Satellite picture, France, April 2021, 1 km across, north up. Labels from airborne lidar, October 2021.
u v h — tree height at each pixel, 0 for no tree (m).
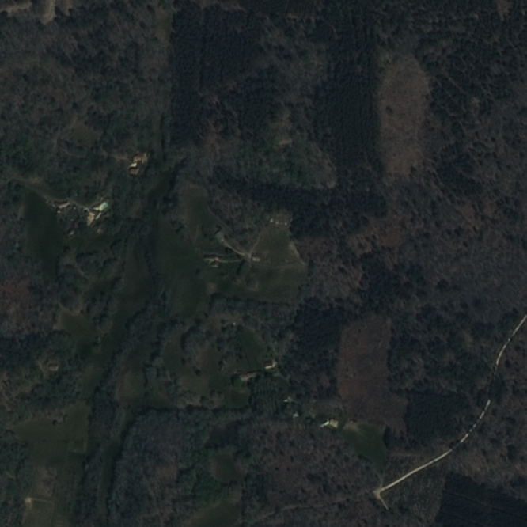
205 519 0
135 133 20
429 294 17
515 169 10
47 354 27
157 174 9
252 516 17
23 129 21
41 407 23
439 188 13
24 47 22
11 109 13
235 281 12
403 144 0
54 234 0
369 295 12
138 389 0
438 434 22
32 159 22
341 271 11
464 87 13
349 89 21
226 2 12
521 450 13
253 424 21
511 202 13
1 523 22
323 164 14
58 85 18
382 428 12
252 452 7
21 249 11
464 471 15
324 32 19
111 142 15
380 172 19
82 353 0
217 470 0
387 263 12
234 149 14
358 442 0
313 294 15
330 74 19
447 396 15
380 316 18
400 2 22
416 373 9
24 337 17
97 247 0
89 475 22
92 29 21
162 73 12
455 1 13
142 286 0
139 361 0
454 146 7
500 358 14
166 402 0
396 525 13
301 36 8
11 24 29
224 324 11
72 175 17
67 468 0
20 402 16
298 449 9
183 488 22
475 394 18
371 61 20
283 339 19
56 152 7
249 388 9
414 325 11
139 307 0
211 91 20
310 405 18
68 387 17
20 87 15
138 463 13
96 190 8
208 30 19
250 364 0
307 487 7
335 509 10
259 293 0
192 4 14
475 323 13
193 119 20
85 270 23
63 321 0
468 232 6
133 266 0
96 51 23
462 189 15
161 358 14
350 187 20
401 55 10
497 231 12
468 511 11
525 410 8
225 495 16
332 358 13
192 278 0
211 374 0
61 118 10
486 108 14
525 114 15
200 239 0
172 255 0
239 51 20
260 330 19
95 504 20
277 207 8
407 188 11
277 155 25
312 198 22
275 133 18
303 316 18
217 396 16
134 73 7
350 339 10
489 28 14
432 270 11
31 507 0
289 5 6
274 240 0
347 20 19
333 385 18
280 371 9
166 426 17
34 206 0
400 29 16
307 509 12
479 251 8
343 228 8
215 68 22
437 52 9
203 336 17
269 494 7
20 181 0
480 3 15
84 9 22
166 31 0
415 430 23
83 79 23
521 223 7
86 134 0
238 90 13
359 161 21
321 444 8
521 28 16
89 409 0
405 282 7
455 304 19
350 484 11
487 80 20
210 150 19
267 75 19
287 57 13
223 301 22
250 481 13
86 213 9
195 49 19
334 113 21
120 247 18
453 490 12
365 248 14
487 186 8
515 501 11
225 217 15
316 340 19
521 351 17
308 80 12
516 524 12
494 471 16
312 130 9
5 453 18
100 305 19
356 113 22
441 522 11
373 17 21
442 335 22
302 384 8
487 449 13
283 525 10
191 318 0
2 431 18
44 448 0
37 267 12
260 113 26
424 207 7
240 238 16
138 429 16
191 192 0
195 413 26
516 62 14
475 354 10
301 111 17
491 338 21
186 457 20
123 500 12
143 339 13
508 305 14
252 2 7
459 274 8
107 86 18
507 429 12
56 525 0
